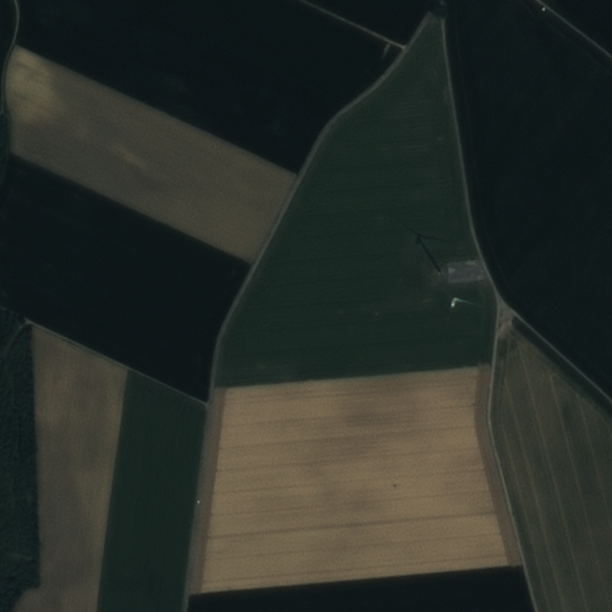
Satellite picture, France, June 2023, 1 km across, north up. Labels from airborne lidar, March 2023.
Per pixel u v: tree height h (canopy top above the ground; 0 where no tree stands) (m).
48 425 0
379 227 0
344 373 0
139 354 0
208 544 0
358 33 0
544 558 0
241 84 0
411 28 0
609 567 0
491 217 0
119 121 0
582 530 0
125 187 0
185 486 0
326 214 0
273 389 0
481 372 0
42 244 0
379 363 0
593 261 0
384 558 0
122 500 0
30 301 0
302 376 0
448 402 0
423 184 0
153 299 0
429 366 0
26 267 0
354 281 0
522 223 0
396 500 0
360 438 0
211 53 0
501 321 0
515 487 0
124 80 0
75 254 0
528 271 0
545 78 0
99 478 0
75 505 0
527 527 0
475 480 0
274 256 0
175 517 0
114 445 0
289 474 0
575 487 0
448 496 0
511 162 0
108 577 0
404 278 0
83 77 0
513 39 0
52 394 0
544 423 0
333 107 0
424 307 0
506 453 0
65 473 0
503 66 0
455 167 0
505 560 0
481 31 0
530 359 0
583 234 0
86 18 0
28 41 0
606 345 0
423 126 0
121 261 0
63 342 0
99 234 0
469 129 0
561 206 0
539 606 0
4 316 11
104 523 0
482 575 0
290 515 0
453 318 0
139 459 0
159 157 0
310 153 0
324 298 0
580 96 0
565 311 0
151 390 0
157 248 0
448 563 0
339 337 0
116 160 0
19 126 0
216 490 0
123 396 0
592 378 0
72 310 0
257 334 0
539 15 0
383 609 0
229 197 0
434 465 0
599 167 0
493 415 0
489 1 0
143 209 0
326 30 0
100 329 0
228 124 0
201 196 0
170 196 0
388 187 0
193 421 0
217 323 0
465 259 0
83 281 0
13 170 0
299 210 0
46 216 0
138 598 0
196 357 0
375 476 0
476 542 0
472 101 0
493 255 0
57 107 0
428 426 0
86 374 0
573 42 0
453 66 0
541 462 0
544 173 0
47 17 0
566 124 0
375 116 0
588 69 0
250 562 0
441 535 0
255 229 0
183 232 0
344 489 0
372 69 0
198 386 0
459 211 0
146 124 0
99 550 0
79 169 0
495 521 0
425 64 0
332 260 0
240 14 0
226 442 0
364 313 0
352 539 0
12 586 11
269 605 0
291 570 0
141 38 0
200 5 0
